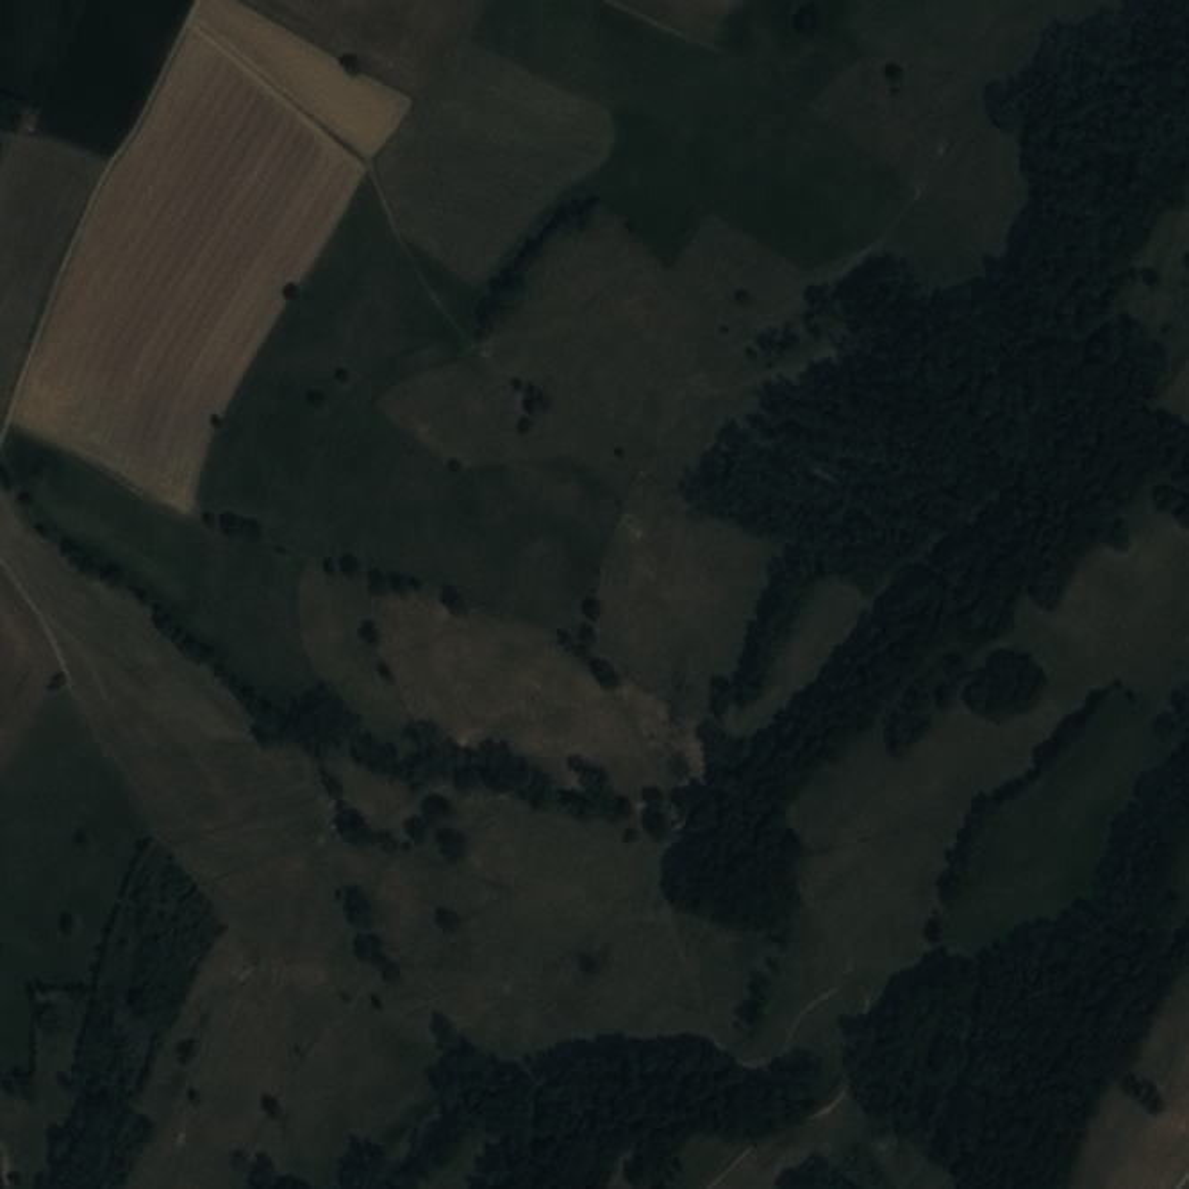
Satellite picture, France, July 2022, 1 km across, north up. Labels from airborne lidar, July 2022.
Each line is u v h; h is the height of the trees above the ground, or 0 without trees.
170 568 0
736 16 0
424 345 0
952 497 25
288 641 0
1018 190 0
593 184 0
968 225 0
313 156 0
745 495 27
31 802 0
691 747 0
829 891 0
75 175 0
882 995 0
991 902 0
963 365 27
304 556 0
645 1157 24
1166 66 35
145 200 0
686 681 0
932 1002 14
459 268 0
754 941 0
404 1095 0
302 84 0
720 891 20
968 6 0
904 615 26
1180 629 0
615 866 0
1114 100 33
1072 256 22
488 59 0
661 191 0
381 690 0
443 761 22
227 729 0
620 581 0
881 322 26
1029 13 0
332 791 10
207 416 0
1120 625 0
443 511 0
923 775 0
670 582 0
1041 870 0
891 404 22
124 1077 6
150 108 0
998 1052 27
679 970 0
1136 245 17
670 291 0
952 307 28
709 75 0
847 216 0
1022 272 25
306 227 0
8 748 0
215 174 0
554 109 0
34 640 0
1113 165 9
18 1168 0
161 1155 0
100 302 0
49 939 0
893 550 26
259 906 0
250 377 0
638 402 0
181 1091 0
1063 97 28
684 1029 0
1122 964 32
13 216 0
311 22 0
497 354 0
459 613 15
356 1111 0
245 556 0
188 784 0
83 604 0
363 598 0
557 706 0
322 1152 0
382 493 0
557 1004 0
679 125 0
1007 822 0
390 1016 0
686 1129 21
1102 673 0
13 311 0
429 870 0
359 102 0
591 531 0
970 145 0
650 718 0
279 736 22
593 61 0
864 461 27
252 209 0
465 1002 0
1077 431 28
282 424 0
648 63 0
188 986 7
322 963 0
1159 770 0
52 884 0
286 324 0
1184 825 30
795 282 0
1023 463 13
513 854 0
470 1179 0
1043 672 16
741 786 25
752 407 0
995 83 0
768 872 26
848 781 0
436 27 0
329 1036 0
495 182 0
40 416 0
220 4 0
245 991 0
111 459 0
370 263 0
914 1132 25
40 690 0
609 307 0
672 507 0
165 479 0
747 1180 0
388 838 17
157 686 0
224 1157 0
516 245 0
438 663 0
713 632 0
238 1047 0
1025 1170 27
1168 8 30
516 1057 0
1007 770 0
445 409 0
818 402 25
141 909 7
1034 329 22
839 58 0
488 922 0
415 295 0
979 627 21
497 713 0
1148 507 0
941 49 0
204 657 17
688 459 0
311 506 0
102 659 0
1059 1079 28
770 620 14
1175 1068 0
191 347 0
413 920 0
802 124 0
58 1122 0
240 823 0
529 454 0
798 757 22
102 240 0
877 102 0
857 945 0
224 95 0
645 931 0
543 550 0
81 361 0
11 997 0
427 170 0
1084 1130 16
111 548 0
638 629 0
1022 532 27
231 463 0
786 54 0
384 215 0
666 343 0
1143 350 20
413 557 0
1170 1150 0
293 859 0
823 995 0
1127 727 0
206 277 0
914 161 0
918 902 0
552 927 0
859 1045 18
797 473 34
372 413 0
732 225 0
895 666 26
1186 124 22
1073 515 26
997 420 26
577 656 13
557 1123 31
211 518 9
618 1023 0
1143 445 27
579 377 0
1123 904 33
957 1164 21
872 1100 24
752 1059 0
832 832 0
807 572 8
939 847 0
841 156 0
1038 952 29
